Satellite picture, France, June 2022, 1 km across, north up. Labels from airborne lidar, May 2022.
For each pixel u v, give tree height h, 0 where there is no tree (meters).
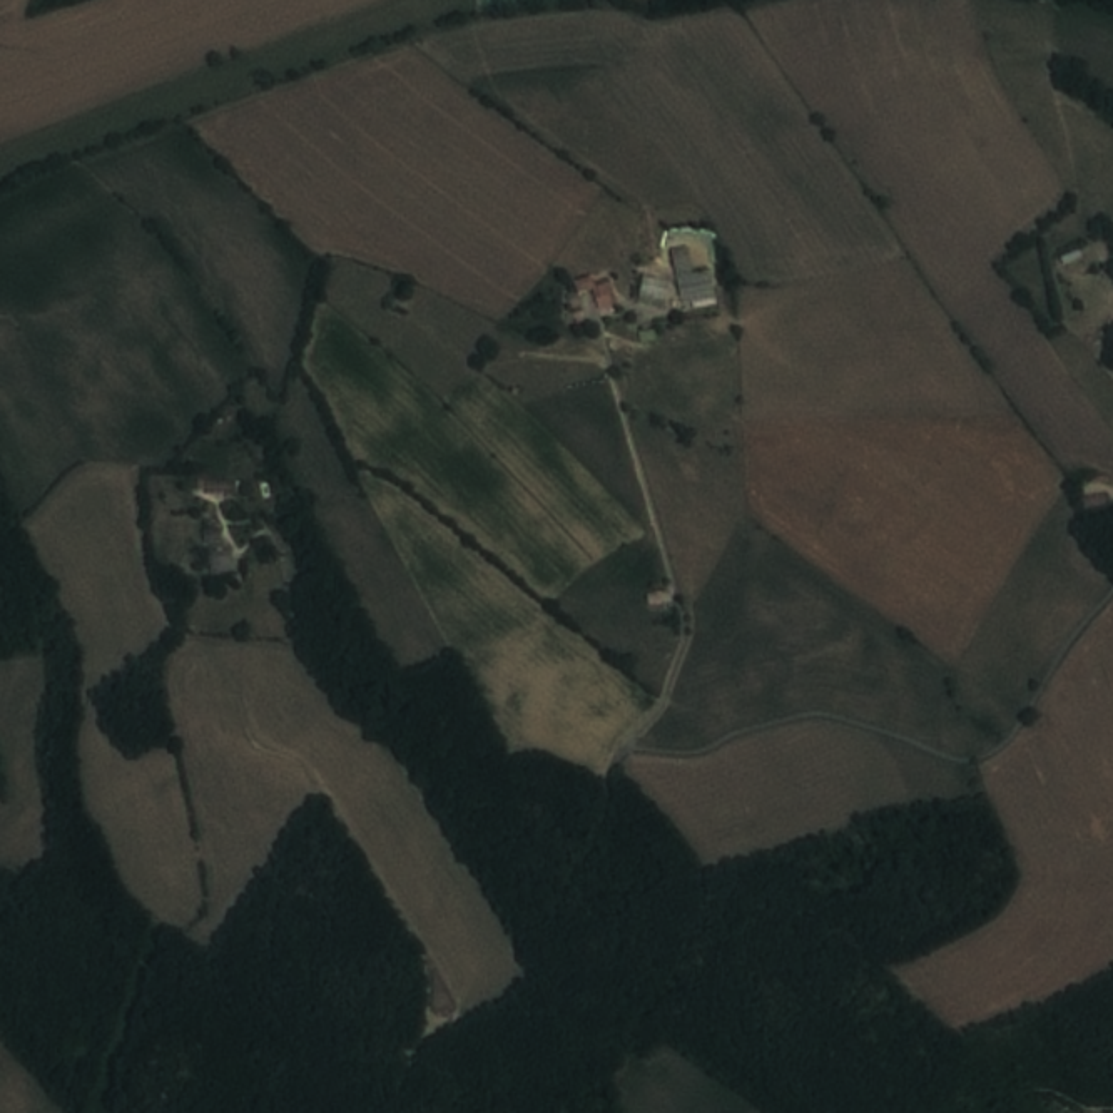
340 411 0
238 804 0
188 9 0
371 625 15
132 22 0
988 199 0
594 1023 25
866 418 0
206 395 0
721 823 0
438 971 0
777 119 0
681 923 23
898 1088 15
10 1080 0
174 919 0
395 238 0
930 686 0
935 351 0
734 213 0
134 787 0
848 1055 13
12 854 0
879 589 0
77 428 0
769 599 0
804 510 0
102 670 0
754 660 0
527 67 0
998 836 13
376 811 0
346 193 0
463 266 0
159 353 0
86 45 0
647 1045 18
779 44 0
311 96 0
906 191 0
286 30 0
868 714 0
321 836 16
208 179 0
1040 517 0
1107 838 0
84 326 0
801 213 0
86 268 0
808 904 22
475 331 0
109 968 18
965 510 0
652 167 0
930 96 0
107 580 0
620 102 0
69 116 0
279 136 0
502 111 6
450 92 0
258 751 0
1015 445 0
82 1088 21
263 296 0
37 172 16
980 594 0
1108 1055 15
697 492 0
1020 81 0
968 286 0
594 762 0
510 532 0
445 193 0
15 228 0
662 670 0
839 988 18
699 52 0
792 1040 15
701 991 19
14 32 0
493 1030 17
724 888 19
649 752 0
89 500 0
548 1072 20
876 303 0
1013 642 0
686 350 0
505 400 0
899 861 19
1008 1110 16
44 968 23
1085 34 0
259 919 14
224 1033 17
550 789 16
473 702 20
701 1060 11
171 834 0
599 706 0
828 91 0
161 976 20
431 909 0
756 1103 7
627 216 0
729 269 12
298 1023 20
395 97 0
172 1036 24
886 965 15
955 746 0
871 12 0
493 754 20
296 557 8
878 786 0
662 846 21
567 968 23
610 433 0
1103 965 0
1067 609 0
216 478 0
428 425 0
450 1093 13
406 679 18
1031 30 0
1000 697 0
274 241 0
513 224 0
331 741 0
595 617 0
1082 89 19
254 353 0
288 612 11
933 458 0
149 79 0
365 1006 15
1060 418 0
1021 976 0
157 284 0
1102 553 23
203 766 0
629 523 0
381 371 0
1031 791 0
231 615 0
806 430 0
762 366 0
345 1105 17
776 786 0
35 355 0
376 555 0
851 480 0
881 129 0
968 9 0
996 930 0
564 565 0
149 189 0
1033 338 0
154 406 0
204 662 0
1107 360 10
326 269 24
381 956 17
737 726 0
